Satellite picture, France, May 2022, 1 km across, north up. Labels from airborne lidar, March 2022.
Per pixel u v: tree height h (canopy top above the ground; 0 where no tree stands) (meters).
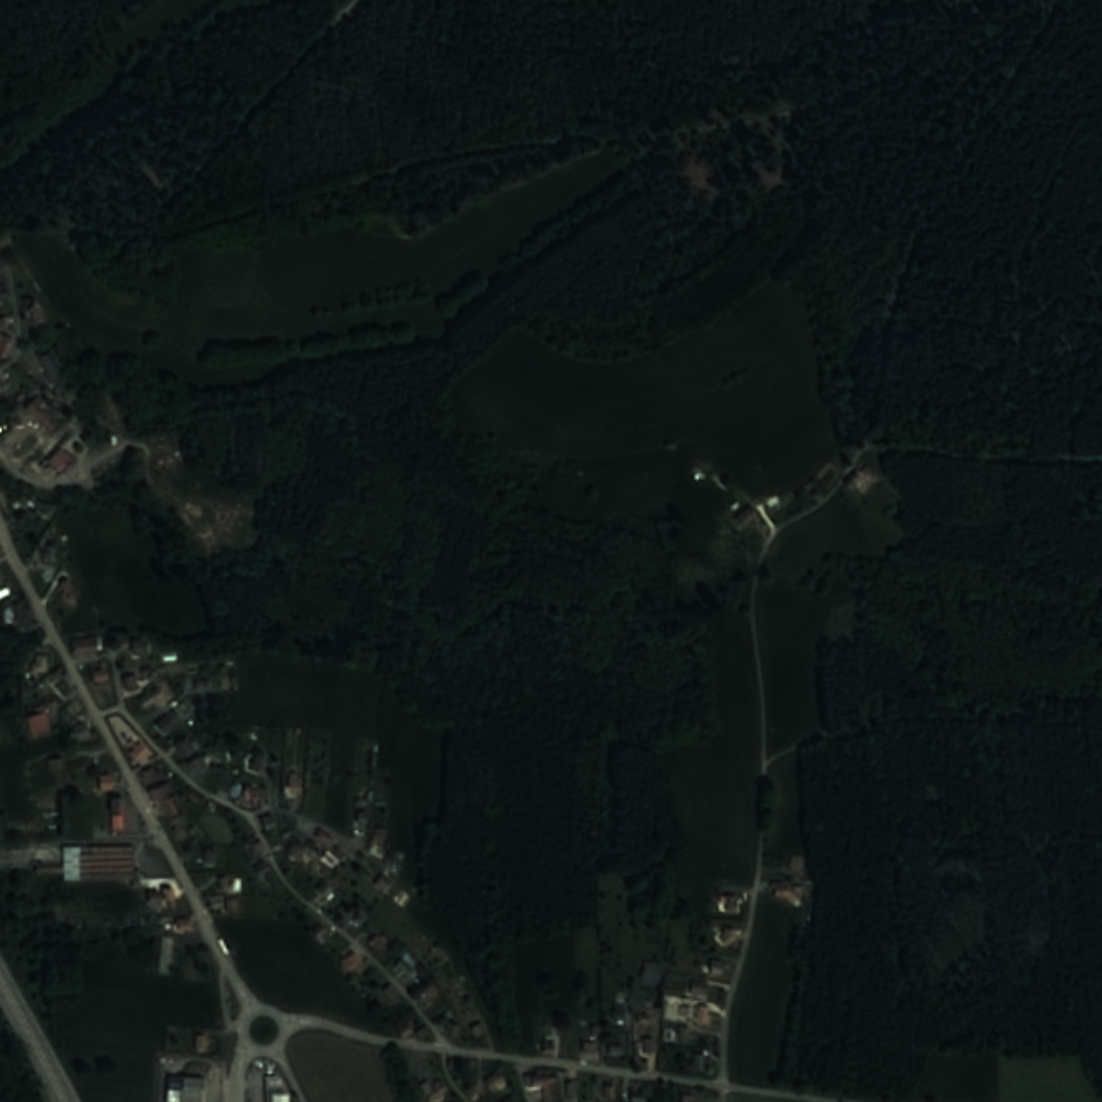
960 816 22
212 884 0
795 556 0
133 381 23
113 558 0
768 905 0
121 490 15
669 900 11
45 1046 0
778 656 0
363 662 24
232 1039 0
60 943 15
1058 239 18
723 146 8
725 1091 0
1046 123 22
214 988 0
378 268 0
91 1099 0
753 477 0
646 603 25
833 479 0
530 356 0
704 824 0
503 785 16
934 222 22
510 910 14
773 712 0
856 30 10
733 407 0
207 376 0
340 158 12
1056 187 18
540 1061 0
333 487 15
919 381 23
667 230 22
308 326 0
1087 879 14
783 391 0
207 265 0
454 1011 0
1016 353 17
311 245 0
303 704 0
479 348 17
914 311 14
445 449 17
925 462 13
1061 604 14
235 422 23
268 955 0
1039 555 15
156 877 0
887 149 34
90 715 0
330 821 0
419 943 0
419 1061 0
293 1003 0
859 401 30
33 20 30
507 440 0
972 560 17
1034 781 26
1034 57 16
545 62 9
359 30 12
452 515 16
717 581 0
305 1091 0
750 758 0
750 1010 0
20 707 9
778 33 11
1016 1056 16
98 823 0
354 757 0
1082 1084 0
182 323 0
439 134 12
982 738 25
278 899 0
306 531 12
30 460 0
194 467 13
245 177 11
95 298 0
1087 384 22
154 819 0
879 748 16
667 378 0
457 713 20
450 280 0
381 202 13
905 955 22
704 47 11
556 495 0
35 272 0
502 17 11
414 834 0
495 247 0
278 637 21
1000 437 14
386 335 14
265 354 17
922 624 15
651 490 0
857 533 0
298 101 13
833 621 0
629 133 18
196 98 19
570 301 12
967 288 18
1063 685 16
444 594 17
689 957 0
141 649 0
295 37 12
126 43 0
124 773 0
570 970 0
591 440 0
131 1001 0
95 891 0
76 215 23
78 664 0
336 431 17
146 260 25
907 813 17
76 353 0
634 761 25
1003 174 19
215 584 19
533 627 24
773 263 8
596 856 10
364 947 0
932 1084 0
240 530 0
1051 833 20
